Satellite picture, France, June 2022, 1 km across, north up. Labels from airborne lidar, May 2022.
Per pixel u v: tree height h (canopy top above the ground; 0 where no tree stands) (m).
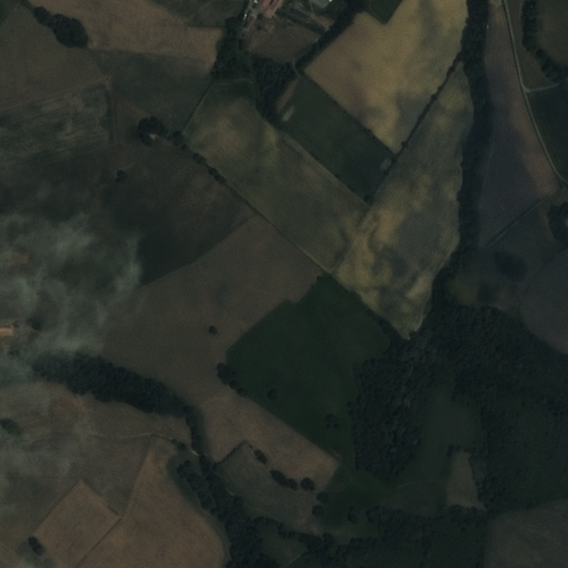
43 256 0
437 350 11
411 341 7
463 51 6
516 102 0
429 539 13
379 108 0
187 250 0
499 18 0
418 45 0
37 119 0
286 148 0
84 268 0
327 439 0
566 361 11
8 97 0
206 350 0
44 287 0
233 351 0
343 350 0
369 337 0
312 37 0
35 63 0
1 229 0
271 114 9
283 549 0
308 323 0
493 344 6
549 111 0
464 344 17
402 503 0
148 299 0
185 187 0
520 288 0
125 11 0
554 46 0
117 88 0
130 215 0
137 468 0
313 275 0
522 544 0
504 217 0
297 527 0
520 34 0
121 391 14
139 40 0
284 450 0
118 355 0
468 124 0
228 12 0
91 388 15
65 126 0
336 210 0
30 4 0
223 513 14
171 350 0
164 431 0
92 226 0
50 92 0
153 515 0
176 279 0
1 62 0
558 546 0
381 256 0
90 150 0
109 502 0
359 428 8
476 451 12
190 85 0
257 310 0
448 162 0
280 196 0
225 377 17
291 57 0
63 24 24
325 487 0
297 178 0
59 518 0
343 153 0
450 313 8
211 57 0
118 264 0
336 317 0
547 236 0
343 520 0
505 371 17
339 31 21
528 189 0
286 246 0
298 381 0
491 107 16
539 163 0
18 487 0
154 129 21
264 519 11
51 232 0
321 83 0
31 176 0
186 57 0
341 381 0
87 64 0
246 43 6
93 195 0
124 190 0
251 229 0
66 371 22
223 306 0
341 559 8
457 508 9
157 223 0
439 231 0
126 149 0
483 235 0
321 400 0
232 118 0
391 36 0
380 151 0
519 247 0
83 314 0
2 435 0
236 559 20
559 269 0
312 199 0
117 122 0
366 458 16
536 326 0
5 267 0
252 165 0
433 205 0
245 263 0
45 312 0
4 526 0
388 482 6
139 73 0
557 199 0
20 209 0
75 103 0
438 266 0
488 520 14
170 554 0
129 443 0
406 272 0
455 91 0
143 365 0
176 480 0
